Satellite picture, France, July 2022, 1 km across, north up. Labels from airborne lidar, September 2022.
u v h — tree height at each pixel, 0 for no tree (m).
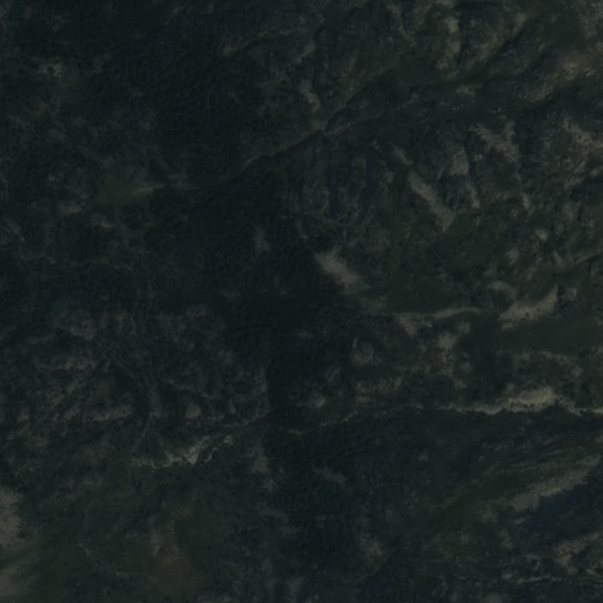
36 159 13
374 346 0
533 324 0
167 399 8
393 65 0
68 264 9
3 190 8
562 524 0
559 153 0
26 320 6
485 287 0
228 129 11
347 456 11
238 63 9
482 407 0
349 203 0
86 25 12
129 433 0
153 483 0
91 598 0
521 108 0
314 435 9
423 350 0
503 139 0
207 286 8
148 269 8
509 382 7
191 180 9
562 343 0
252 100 15
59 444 7
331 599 0
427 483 0
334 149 0
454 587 0
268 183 11
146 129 9
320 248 10
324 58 7
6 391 7
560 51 0
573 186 0
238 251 15
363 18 0
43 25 11
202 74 12
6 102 7
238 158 8
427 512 0
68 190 8
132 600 0
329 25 0
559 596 0
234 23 6
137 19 6
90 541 0
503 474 0
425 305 0
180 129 16
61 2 18
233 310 8
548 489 0
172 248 8
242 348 13
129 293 8
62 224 8
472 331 0
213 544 0
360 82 0
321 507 11
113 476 0
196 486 0
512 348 0
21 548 0
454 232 0
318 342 12
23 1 9
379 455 6
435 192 0
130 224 7
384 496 7
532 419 0
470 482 0
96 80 15
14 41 12
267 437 6
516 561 0
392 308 0
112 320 8
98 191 6
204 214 12
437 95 0
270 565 0
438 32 0
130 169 0
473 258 0
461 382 0
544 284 0
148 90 17
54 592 0
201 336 12
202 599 0
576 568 0
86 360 0
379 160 6
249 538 10
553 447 0
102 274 9
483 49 0
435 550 0
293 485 10
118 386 8
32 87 9
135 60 22
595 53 0
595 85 0
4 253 9
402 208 0
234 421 7
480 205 0
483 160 0
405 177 0
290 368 15
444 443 0
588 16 0
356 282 0
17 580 0
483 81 0
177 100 17
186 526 0
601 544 0
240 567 0
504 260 0
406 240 7
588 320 0
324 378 11
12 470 7
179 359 9
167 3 6
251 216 14
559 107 0
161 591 0
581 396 0
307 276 9
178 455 0
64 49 13
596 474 0
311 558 7
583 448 0
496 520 0
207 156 10
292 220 7
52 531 0
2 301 8
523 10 0
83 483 0
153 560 0
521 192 0
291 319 6
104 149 11
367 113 0
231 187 12
